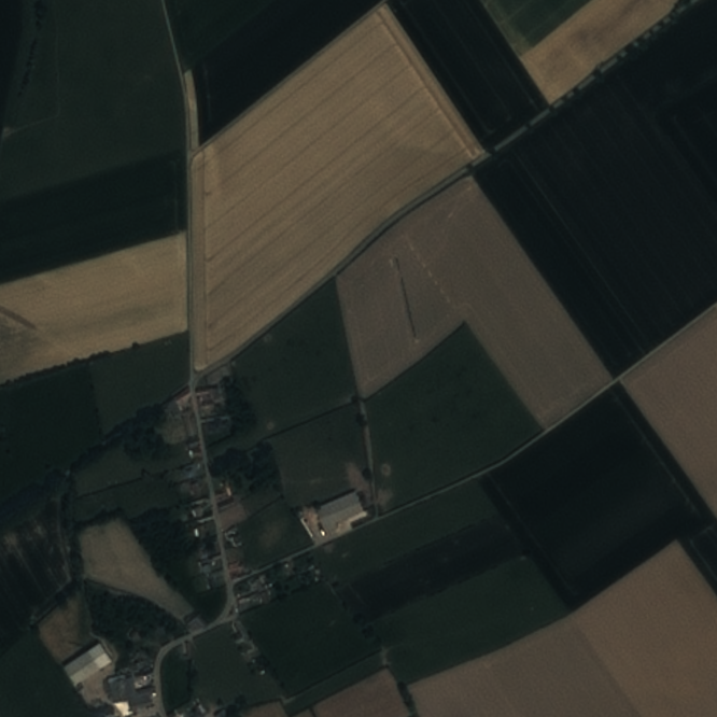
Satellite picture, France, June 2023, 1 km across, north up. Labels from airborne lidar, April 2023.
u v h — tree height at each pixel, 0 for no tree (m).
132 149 0
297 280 0
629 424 0
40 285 0
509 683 0
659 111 0
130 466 0
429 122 0
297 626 0
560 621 0
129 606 8
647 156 0
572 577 0
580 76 0
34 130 0
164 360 0
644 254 0
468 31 0
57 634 0
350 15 0
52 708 0
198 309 0
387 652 0
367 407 0
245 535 0
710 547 0
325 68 0
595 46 0
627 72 0
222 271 0
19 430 0
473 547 0
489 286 0
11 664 0
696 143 0
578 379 0
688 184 0
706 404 0
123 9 0
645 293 0
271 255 0
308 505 0
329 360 0
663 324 0
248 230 0
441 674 0
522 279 0
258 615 0
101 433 6
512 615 0
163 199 0
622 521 0
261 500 0
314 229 0
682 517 0
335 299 0
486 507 0
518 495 0
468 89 0
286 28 0
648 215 0
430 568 0
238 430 12
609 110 0
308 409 0
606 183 0
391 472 0
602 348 0
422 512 0
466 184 0
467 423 0
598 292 0
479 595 0
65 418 0
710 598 0
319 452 0
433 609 0
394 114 0
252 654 0
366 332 0
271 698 0
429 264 0
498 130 0
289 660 0
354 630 0
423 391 0
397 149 0
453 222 0
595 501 0
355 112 0
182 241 0
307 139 0
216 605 0
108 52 0
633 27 0
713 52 0
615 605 0
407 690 12
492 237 0
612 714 0
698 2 0
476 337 0
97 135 0
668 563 0
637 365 0
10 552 0
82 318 0
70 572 0
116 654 0
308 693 0
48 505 0
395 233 0
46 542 0
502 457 0
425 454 0
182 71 0
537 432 0
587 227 0
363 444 0
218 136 0
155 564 10
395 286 0
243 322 0
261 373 0
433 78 0
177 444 0
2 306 0
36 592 0
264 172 0
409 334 0
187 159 0
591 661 0
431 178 0
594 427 0
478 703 0
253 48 0
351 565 0
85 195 0
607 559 0
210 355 0
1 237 0
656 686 0
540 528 0
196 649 0
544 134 0
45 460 0
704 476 0
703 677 0
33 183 0
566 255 0
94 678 0
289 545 0
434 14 0
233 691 0
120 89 0
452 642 0
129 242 0
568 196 0
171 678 0
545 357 0
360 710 0
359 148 0
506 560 0
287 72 0
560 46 0
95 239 0
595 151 0
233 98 0
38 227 0
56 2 0
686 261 0
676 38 0
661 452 0
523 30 0
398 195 0
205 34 0
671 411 0
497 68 0
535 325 0
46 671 0
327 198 0
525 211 0
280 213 0
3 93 0
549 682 0
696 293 0
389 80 0
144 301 0
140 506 0
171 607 0
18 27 0
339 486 0
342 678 0
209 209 0
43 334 0
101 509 0
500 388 0
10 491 0
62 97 0
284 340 0
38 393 0
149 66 0
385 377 0
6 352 0
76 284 0
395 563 0
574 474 0
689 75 0
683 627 0
